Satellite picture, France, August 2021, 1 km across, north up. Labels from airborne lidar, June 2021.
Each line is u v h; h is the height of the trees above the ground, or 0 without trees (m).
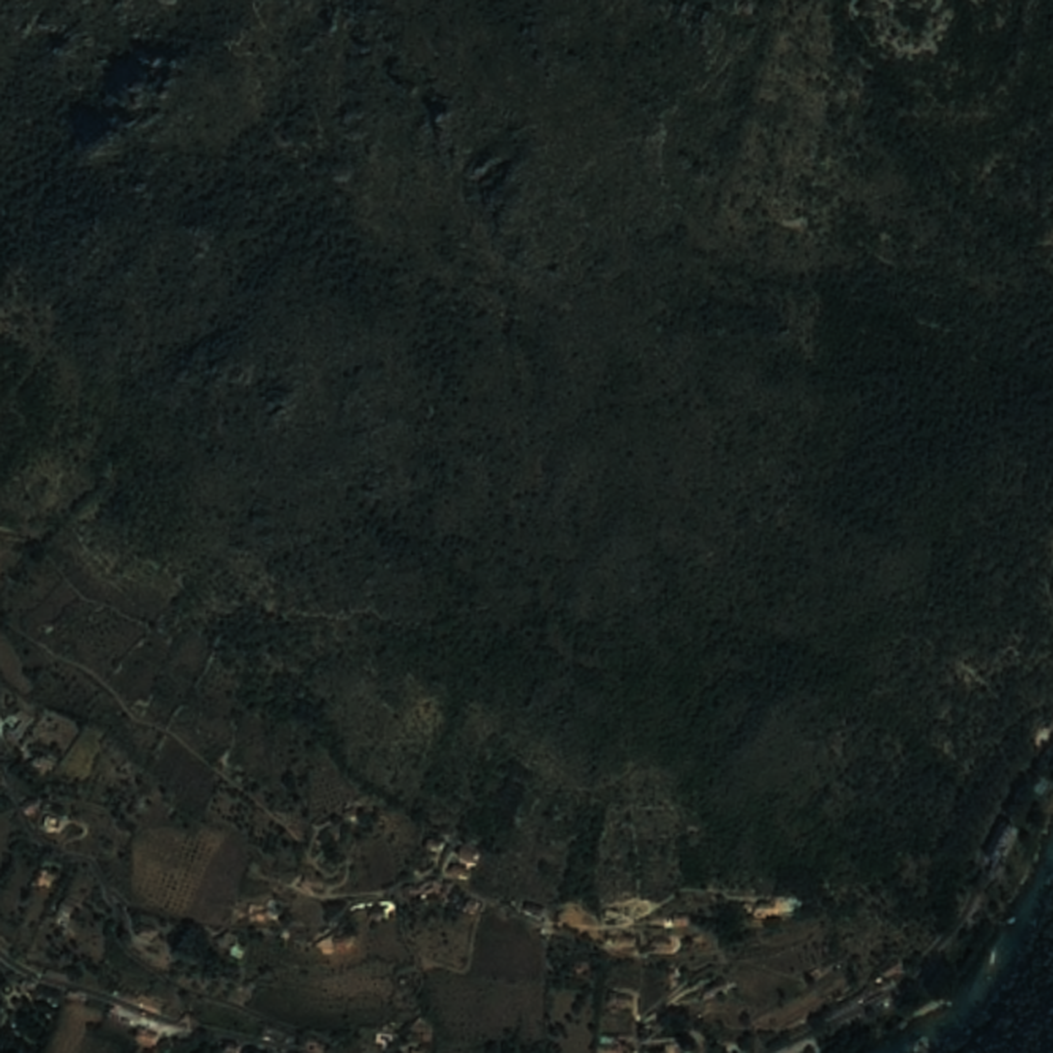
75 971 9
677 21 8
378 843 0
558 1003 0
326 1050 10
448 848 6
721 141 11
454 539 7
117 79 8
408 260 8
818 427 7
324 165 8
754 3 10
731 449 8
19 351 8
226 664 7
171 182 7
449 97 7
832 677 7
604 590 7
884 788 11
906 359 9
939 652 7
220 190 9
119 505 8
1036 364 12
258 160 7
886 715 6
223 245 7
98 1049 0
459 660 7
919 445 8
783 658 7
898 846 11
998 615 6
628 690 6
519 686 6
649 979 0
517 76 0
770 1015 0
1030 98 8
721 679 6
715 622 6
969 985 0
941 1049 11
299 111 11
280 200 8
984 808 26
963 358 9
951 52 8
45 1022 7
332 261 9
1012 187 10
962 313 7
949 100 6
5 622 8
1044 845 0
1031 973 13
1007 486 7
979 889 17
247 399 7
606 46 6
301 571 6
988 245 9
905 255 7
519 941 0
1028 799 27
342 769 6
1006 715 9
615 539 0
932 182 7
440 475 9
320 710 10
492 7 6
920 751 8
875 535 7
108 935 7
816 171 7
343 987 0
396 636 6
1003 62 10
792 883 10
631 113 7
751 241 8
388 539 6
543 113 0
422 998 5
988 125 6
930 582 9
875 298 9
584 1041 0
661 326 7
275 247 8
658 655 6
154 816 0
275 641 8
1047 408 16
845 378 8
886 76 8
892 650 6
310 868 0
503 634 8
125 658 0
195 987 8
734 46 19
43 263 6
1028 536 6
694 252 7
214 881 0
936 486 6
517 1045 9
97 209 6
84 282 7
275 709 10
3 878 11
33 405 8
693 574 7
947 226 8
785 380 5
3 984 13
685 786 5
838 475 6
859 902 8
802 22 6
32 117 6
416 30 0
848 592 7
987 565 11
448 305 6
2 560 0
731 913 14
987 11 7
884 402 8
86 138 10
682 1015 17
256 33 0
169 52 10
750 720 6
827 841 7
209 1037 11
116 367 9
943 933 16
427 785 6
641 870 7
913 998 18
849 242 7
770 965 0
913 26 9
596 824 9
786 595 6
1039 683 9
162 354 7
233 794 6
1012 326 6
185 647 0
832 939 6
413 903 6
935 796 8
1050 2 7
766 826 6
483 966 0
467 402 10
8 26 12
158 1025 0
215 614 6
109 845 8
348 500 7
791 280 6
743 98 9
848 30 6
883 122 8
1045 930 15
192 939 15
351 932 9
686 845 7
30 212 7
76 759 0
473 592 6
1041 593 8
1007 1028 16
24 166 9
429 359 6
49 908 7
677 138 12
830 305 9
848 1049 16
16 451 6
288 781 14
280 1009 0
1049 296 6
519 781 7
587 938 9
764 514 6
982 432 6
